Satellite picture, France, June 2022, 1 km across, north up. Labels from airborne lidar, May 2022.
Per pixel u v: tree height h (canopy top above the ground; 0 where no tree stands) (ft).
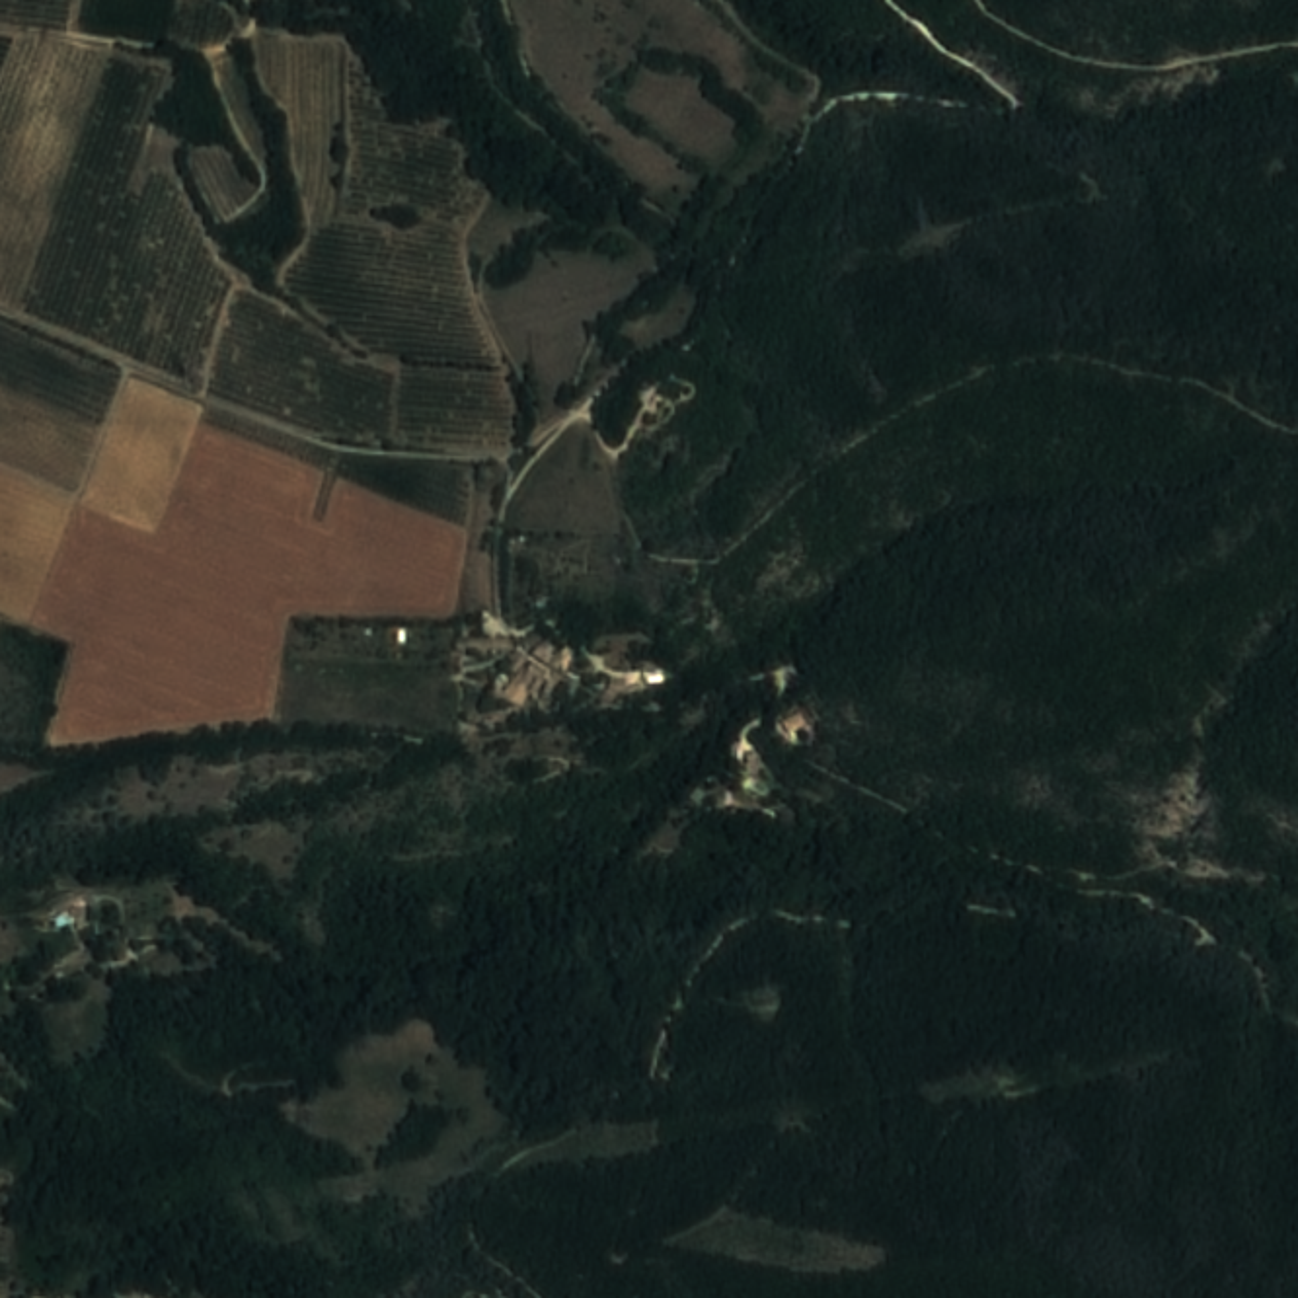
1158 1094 30
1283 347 24
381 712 0
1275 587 19
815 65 34
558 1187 22
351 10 29
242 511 0
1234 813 20
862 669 21
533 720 27
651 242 35
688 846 39
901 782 21
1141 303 25
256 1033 62
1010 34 28
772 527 20
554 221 19
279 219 37
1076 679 23
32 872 38
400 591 0
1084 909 27
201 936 51
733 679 49
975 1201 20
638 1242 22
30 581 0
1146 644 20
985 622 19
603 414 32
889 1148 29
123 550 0
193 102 29
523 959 57
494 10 32
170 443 0
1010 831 35
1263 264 27
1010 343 26
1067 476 20
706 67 23
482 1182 30
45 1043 38
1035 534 29
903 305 25
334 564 0
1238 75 26
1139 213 34
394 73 62
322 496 0
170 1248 56
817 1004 23
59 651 25
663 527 22
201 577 0
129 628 0
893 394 23
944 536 31
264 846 0
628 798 27
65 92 0
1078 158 56
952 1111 22
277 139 45
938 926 46
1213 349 19
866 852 32
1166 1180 24
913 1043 22
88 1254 23
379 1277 39
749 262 22
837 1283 30
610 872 59
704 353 26
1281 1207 43
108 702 0
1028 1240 23
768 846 77
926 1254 26
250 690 0
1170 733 19
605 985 50
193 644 0
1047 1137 31
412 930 41
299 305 26
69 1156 43
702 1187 21
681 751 48
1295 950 34
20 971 41
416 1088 35
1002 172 29
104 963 34
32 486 0
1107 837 23
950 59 23
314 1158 22
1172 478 20
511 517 0
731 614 26
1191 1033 26
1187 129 32
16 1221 58
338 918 45
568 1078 51
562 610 20
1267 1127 27
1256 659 22
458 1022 36
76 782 33
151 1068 31
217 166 0
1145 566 24
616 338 33
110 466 0
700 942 28
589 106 0
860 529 21
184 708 0
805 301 28
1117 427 21
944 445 21
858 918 43
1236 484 18
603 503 0
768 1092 21
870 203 25
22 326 25
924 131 29
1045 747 23
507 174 58
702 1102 28
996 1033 26
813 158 19
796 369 22
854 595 23
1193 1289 26
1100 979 36
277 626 0
